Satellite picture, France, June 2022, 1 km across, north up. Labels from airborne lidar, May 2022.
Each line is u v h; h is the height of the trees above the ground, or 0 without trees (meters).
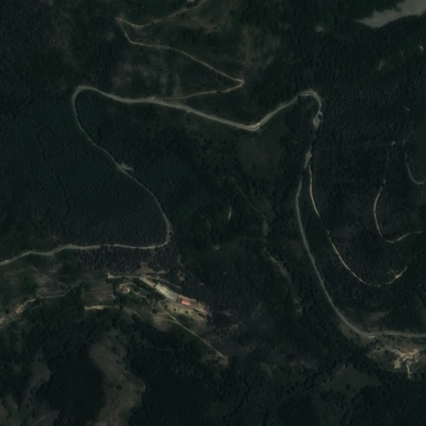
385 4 7
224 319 11
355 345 10
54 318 17
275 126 0
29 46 12
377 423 15
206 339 0
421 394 18
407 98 9
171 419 16
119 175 19
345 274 10
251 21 22
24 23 18
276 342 10
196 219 13
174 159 20
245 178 22
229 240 15
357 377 0
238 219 8
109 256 13
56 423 13
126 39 10
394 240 5
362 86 19
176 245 7
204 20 0
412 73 20
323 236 13
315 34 7
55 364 21
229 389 28
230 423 30
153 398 22
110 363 0
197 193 22
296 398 26
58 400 20
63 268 5
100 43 11
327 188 9
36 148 21
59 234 10
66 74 11
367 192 10
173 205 21
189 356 15
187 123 8
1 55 6
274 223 21
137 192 24
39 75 12
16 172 13
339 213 11
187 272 17
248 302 11
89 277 0
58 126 20
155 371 30
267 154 0
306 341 18
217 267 9
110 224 12
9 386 25
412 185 8
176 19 0
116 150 21
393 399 20
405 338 10
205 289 13
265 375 13
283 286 14
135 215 19
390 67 12
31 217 13
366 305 12
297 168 19
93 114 22
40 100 21
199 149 18
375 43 11
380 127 19
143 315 0
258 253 9
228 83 10
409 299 17
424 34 13
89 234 14
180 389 27
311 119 8
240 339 11
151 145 23
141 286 7
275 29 16
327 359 12
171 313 0
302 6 29
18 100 15
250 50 0
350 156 8
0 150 23
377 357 0
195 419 17
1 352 26
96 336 20
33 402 15
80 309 17
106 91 16
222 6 0
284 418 22
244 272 11
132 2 9
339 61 16
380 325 8
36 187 18
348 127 21
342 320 0
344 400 18
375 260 10
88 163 24
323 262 13
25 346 9
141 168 23
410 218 9
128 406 0
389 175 14
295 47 17
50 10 10
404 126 13
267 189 15
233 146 10
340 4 12
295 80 5
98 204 16
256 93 13
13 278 0
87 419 15
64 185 23
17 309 0
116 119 7
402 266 10
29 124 23
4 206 8
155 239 11
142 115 6
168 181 21
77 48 8
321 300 7
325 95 16
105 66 8
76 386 21
